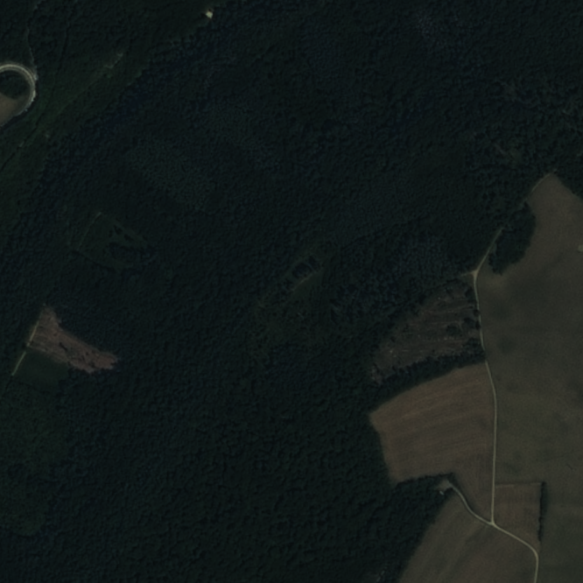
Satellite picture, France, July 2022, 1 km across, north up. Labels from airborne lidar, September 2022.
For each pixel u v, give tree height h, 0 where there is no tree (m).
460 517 0
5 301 24
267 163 33
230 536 18
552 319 0
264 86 27
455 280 6
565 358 0
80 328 20
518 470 0
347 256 11
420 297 6
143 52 30
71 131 26
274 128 25
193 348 25
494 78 25
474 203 11
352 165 27
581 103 16
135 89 9
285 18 25
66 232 22
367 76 24
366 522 7
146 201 26
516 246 20
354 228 18
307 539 24
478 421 0
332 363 9
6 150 18
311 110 6
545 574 0
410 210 17
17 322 21
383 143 23
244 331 15
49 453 12
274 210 20
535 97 30
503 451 0
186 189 29
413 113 25
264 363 7
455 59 21
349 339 6
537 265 0
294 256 18
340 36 18
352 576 15
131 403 16
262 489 24
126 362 19
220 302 28
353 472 19
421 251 30
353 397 18
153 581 22
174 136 21
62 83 15
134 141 11
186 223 24
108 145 21
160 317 28
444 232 15
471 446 0
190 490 27
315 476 21
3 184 19
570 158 14
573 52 23
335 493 22
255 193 17
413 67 26
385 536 22
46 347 0
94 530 23
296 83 23
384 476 7
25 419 10
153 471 11
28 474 18
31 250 22
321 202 24
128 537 17
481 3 25
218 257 22
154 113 22
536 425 0
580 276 0
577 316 0
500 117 30
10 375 8
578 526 0
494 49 30
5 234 25
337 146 28
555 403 0
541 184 0
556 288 0
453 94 31
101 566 12
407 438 0
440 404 0
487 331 0
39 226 23
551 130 20
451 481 6
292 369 21
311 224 25
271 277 21
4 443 10
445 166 13
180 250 26
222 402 25
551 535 0
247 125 31
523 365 0
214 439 27
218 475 23
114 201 24
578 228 0
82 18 24
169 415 21
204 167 24
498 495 0
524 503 0
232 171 19
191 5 16
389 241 11
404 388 14
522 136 21
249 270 26
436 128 38
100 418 24
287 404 21
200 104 13
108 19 29
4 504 10
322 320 9
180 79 18
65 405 11
